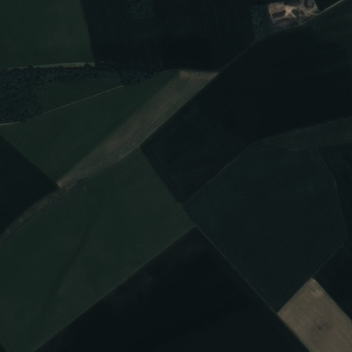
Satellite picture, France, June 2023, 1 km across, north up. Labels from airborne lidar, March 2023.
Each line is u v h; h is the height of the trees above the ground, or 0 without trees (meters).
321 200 0
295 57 0
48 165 0
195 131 0
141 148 0
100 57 0
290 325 0
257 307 0
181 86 0
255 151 0
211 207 0
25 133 0
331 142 0
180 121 0
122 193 0
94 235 0
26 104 21
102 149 0
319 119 0
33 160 0
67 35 0
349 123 0
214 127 0
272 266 0
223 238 0
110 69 21
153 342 0
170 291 0
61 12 0
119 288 0
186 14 0
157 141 0
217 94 0
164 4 0
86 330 0
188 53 0
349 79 0
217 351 0
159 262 0
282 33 0
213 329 0
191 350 0
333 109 0
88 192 0
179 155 0
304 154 0
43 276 0
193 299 0
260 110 0
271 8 0
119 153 0
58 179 0
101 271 0
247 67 0
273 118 0
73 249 0
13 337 0
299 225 0
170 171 0
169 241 0
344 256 0
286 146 0
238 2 0
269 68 0
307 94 0
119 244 0
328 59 0
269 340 0
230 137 0
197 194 0
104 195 0
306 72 0
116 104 0
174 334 0
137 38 0
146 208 0
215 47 0
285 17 0
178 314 0
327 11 0
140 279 0
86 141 0
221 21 0
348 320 0
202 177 0
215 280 0
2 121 0
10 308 0
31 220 0
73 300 0
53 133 0
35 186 0
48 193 0
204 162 0
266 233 0
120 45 0
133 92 0
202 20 0
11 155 0
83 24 0
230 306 0
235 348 0
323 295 0
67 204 0
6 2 0
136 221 0
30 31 0
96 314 0
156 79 0
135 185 0
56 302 0
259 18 13
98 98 0
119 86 0
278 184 0
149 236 0
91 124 0
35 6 0
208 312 0
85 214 0
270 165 0
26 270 0
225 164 0
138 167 0
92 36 0
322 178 0
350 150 0
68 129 0
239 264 0
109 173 0
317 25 0
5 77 22
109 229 0
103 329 0
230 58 0
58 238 0
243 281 0
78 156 0
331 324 0
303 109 0
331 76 0
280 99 0
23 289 0
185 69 0
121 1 0
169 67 0
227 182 0
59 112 0
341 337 0
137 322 0
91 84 0
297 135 0
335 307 0
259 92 0
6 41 0
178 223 0
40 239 0
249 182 0
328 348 0
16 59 0
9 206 0
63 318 0
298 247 0
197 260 0
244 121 0
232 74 0
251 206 0
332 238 0
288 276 0
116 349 0
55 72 16
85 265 0
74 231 0
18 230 0
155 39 0
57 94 0
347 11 0
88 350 0
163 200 0
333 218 0
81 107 0
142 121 0
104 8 0
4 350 0
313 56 0
